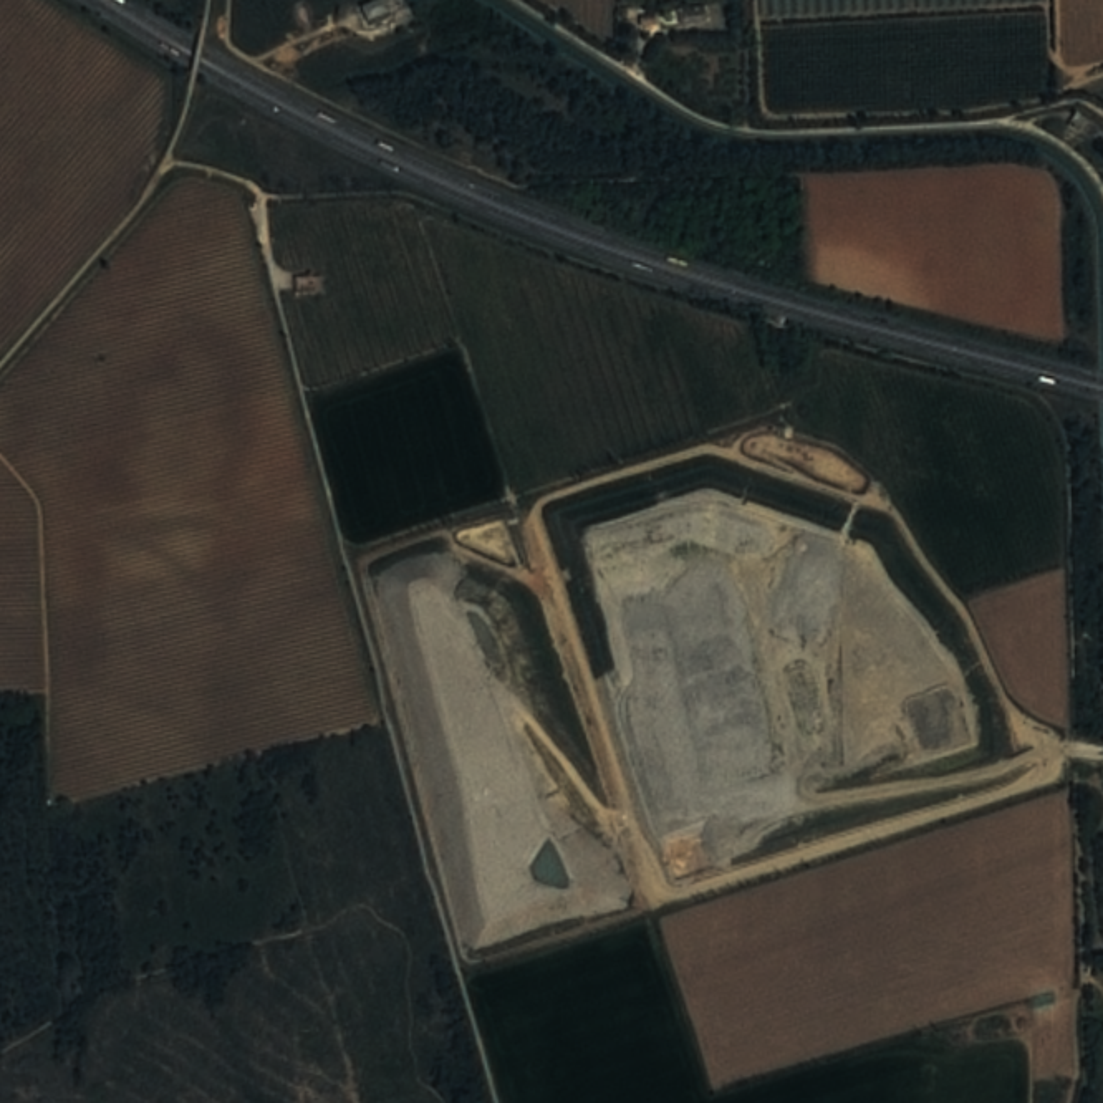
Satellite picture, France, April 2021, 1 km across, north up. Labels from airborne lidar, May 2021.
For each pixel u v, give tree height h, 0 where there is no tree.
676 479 0
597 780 0
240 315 0
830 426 0
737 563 0
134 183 0
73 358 0
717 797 0
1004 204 0
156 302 0
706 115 9
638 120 16
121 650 0
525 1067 0
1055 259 0
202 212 0
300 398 0
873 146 10
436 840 0
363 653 0
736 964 0
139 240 0
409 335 0
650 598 0
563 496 0
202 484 0
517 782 0
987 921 0
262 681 0
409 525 0
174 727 0
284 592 0
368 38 0
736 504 0
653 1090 0
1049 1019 0
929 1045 0
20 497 0
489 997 0
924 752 0
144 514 0
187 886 0
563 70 7
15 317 0
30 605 0
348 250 0
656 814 0
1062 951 0
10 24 0
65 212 0
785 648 0
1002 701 0
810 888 0
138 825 7
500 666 0
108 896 7
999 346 0
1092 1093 10
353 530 0
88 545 0
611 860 0
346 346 0
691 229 10
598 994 0
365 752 0
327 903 0
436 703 0
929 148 17
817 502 0
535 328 0
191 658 0
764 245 10
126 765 0
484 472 0
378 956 0
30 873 6
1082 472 10
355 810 0
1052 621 0
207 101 0
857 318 0
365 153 0
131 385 0
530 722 0
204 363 0
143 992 0
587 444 0
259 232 0
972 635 0
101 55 0
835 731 0
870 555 0
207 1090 0
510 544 0
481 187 0
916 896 0
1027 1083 0
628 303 0
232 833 0
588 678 0
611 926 0
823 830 0
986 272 0
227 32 0
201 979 9
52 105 0
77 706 0
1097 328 0
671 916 0
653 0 10
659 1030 0
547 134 8
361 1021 0
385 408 0
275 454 0
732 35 10
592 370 0
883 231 0
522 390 0
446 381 0
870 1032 0
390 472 0
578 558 0
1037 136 0
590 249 0
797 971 0
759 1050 0
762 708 0
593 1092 0
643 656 0
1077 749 0
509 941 0
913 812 0
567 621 0
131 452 0
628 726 0
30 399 0
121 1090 0
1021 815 0
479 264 0
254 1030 0
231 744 0
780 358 8
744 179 10
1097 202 0
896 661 0
